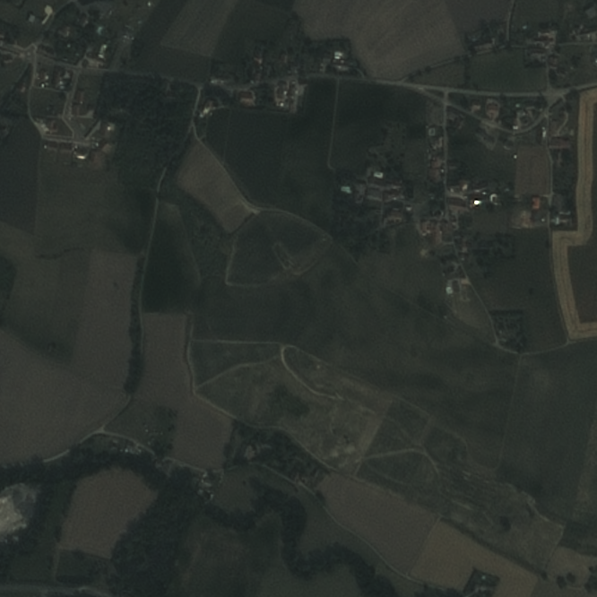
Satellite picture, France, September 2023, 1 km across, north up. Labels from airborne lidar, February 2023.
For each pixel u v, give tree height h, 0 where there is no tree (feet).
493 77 0
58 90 0
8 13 0
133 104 48
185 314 0
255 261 0
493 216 0
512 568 0
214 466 0
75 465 52
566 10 0
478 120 0
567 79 0
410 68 0
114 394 0
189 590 0
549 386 0
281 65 0
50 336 0
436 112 0
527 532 0
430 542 0
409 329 0
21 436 0
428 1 0
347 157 0
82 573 0
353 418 0
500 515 0
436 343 0
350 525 0
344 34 0
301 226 0
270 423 0
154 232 0
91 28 19
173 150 41
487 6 0
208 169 0
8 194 0
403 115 0
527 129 0
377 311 0
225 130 0
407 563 0
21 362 0
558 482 0
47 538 0
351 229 58
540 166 0
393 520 0
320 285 0
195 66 0
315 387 0
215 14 0
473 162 0
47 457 0
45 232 0
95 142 0
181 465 0
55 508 0
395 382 0
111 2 0
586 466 0
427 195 0
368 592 63
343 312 0
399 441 0
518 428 0
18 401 0
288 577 0
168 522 20
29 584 0
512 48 27
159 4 0
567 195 23
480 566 0
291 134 0
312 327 0
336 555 48
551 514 0
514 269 0
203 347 0
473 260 0
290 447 38
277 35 0
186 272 0
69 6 17
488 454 0
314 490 0
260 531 0
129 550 50
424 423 0
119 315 0
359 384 0
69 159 0
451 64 0
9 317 0
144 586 111
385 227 0
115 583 41
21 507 0
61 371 0
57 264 0
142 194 0
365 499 0
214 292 0
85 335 0
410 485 0
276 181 0
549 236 0
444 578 0
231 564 0
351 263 0
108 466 101
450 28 0
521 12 0
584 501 0
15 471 51
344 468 0
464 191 0
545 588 0
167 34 0
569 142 0
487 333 0
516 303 0
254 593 0
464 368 0
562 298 0
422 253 0
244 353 0
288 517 60
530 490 0
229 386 0
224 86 0
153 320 0
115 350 0
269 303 0
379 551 0
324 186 0
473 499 0
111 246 0
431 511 0
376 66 0
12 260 0
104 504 0
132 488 0
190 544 0
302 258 0
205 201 0
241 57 0
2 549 27
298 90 0
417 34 0
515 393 0
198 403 0
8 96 25
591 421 0
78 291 0
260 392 0
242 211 0
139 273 32
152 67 0
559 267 0
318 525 0
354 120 0
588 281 0
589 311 0
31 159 0
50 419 0
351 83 0
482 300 0
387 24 0
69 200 0
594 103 0
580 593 0
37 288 0
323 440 0
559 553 0
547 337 0
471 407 0
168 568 111
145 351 0
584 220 0
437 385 0
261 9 0
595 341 0
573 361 0
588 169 0
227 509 0
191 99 20
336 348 0
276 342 0
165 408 0
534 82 0
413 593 0
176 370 0
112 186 0
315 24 0
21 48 0
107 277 0
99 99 27
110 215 0
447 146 0
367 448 0
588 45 0
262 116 0
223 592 0
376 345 0
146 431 0
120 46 0
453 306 0
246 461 64
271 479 0
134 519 0
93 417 0
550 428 0
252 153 0
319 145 0
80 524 0
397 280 0
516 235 0
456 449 0
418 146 0
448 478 0
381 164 18
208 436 0
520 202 0
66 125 0
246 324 0
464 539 0
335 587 0
